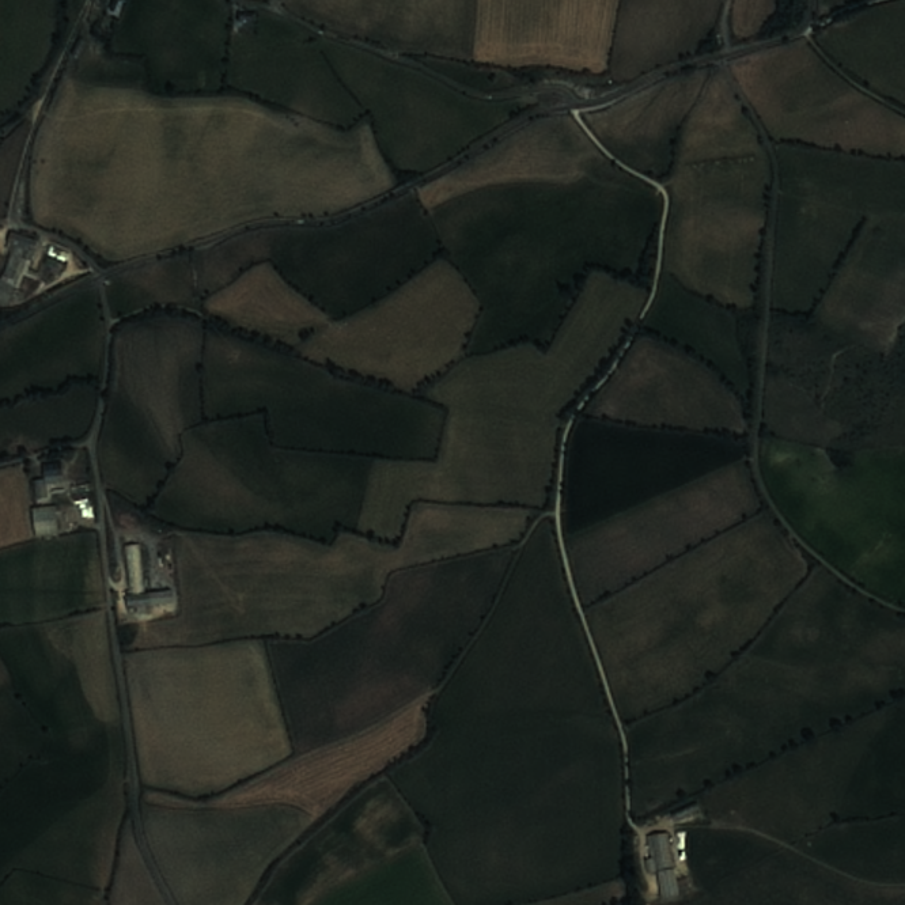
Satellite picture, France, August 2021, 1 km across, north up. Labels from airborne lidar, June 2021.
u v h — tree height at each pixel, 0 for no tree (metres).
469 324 0
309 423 0
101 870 0
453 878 0
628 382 0
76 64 0
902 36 0
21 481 0
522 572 0
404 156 0
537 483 0
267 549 0
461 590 0
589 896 0
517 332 0
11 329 0
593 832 0
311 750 0
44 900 0
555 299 0
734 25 0
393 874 0
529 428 0
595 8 0
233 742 0
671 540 0
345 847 0
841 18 12
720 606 0
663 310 0
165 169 0
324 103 0
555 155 0
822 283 0
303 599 0
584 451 0
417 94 0
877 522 0
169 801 0
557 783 0
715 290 0
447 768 0
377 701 0
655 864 0
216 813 0
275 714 0
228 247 0
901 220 0
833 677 0
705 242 0
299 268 0
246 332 9
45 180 0
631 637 0
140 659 0
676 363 0
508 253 0
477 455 0
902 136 0
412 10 0
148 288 0
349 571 0
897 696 13
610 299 0
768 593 0
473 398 0
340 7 0
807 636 0
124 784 0
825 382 0
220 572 0
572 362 0
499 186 0
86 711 0
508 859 0
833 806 0
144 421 0
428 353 0
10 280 0
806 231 0
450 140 0
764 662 0
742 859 0
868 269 0
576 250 0
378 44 6
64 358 0
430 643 0
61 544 0
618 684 0
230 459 0
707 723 0
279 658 0
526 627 0
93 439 0
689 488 0
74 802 0
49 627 0
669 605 0
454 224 0
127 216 0
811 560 9
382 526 0
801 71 0
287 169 0
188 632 0
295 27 0
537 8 0
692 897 0
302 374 0
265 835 0
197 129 0
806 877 0
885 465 0
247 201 0
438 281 0
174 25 0
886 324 0
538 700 0
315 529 0
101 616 0
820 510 0
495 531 0
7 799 0
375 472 0
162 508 0
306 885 0
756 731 0
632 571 0
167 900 0
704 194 0
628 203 0
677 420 0
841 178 0
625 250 0
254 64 0
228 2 9
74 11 0
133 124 0
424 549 0
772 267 0
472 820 0
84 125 0
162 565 0
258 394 0
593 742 0
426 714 13
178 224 0
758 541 0
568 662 0
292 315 0
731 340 0
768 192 10
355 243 0
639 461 0
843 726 11
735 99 7
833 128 0
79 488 0
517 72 7
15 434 0
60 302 0
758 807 0
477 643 0
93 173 0
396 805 0
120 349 0
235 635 0
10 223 0
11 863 0
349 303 0
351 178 0
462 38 0
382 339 0
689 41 0
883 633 0
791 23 14
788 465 0
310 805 0
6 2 0
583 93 0
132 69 0
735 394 9
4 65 0
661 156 0
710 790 9
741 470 0
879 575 0
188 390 0
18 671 0
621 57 0
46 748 0
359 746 0
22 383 0
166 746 0
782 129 0
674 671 0
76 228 0
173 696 0
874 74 0
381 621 0
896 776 0
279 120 0
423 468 0
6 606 0
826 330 0
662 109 0
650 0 0
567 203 0
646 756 0
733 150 0
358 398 0
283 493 0
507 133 0
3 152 0
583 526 0
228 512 0
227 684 0
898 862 0
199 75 0
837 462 8
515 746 0
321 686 0
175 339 0
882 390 0
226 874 0
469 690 0
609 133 0
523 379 0
